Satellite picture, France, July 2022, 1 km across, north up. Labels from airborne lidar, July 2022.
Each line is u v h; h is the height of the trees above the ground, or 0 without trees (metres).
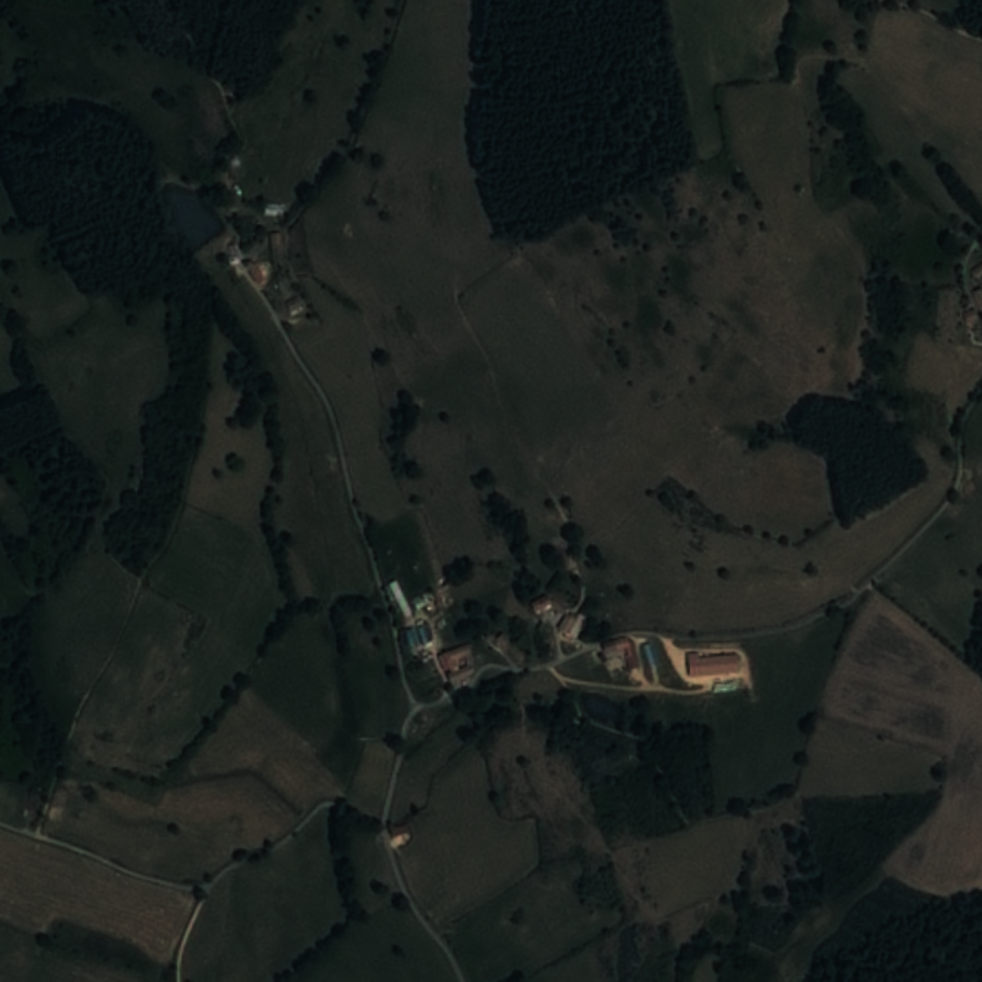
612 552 0
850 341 0
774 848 0
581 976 0
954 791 0
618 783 9
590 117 19
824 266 0
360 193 0
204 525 0
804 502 0
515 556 12
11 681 13
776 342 0
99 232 32
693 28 0
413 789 0
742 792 0
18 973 0
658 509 0
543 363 0
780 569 0
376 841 0
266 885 0
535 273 0
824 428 25
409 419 15
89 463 14
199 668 0
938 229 0
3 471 12
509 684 13
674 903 0
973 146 0
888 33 0
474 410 0
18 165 32
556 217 23
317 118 0
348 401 0
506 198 22
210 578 0
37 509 6
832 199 0
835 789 0
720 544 0
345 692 0
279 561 9
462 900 0
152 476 8
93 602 0
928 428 0
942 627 0
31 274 0
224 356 0
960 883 0
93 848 0
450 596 0
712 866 0
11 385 0
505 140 27
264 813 0
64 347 0
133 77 0
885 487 27
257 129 0
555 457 0
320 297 0
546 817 0
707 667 0
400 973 0
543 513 0
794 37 12
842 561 0
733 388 0
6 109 21
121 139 37
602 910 0
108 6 15
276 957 0
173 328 12
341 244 0
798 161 0
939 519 0
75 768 0
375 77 15
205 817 0
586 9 24
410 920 0
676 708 0
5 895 0
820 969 15
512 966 0
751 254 0
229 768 0
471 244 0
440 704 0
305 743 0
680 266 0
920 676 0
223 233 0
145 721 0
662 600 0
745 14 0
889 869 0
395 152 0
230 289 0
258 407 21
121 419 0
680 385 0
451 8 0
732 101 0
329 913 0
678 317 0
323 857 0
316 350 0
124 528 7
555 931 0
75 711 0
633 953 0
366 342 0
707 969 0
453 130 0
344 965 0
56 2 0
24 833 0
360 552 0
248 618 0
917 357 0
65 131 35
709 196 0
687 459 0
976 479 0
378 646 10
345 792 0
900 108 0
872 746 0
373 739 0
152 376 0
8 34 0
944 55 0
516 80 28
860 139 20
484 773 0
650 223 0
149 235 37
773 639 0
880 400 16
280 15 18
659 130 22
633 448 0
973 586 0
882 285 15
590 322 0
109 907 0
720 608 0
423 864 0
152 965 0
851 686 0
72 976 0
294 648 0
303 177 0
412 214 0
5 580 0
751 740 0
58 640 0
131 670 0
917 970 10
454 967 0
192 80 0
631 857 0
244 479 0
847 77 0
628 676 0
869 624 0
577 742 8
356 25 0
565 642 0
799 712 0
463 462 0
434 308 0
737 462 0
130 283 28
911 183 0
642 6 26
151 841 0
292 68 0
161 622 0
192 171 0
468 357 0
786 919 12
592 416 0
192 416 10
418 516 0
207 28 8
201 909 0
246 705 0
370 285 0
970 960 14
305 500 0
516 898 0
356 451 0
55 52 0
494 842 0
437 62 0
